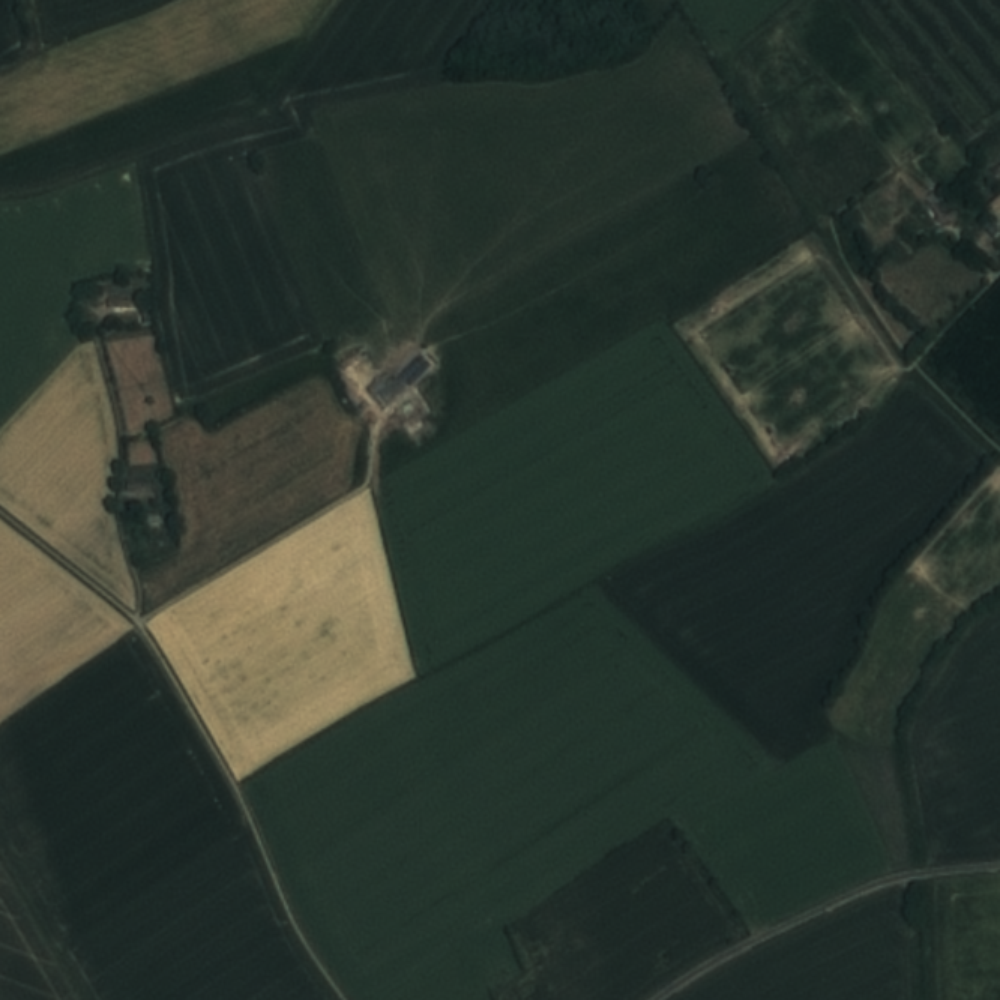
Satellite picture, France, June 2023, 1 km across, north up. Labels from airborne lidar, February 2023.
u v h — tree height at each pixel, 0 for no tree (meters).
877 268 9
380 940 0
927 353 13
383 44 0
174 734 0
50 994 0
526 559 0
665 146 0
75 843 0
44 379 0
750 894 0
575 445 0
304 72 0
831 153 0
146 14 0
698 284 0
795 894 0
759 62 0
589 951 0
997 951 0
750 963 0
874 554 0
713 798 0
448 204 0
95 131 0
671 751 0
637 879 0
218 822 0
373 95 0
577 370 0
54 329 0
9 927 0
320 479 0
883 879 0
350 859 0
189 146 0
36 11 0
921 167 0
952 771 0
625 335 0
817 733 0
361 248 0
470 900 0
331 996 0
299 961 0
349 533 0
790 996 0
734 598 0
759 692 0
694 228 0
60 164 0
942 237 7
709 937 0
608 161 0
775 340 0
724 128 0
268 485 0
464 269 0
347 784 0
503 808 0
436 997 0
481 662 0
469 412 0
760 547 0
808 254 0
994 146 0
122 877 0
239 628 0
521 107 0
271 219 0
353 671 0
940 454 0
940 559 0
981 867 0
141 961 0
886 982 0
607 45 10
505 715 0
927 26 0
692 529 0
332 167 0
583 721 0
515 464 0
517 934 0
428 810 0
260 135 0
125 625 0
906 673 0
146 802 0
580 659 0
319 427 0
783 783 0
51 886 0
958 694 0
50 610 0
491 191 0
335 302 0
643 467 0
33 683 0
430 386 0
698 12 0
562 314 0
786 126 0
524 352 0
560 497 0
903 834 0
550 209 0
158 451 10
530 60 17
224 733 0
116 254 0
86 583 0
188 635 0
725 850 0
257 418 0
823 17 0
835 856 0
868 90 0
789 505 0
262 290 0
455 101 0
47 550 0
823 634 0
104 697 0
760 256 0
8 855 0
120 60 0
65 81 0
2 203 0
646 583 0
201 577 0
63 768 0
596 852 0
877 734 0
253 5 0
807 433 0
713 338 0
